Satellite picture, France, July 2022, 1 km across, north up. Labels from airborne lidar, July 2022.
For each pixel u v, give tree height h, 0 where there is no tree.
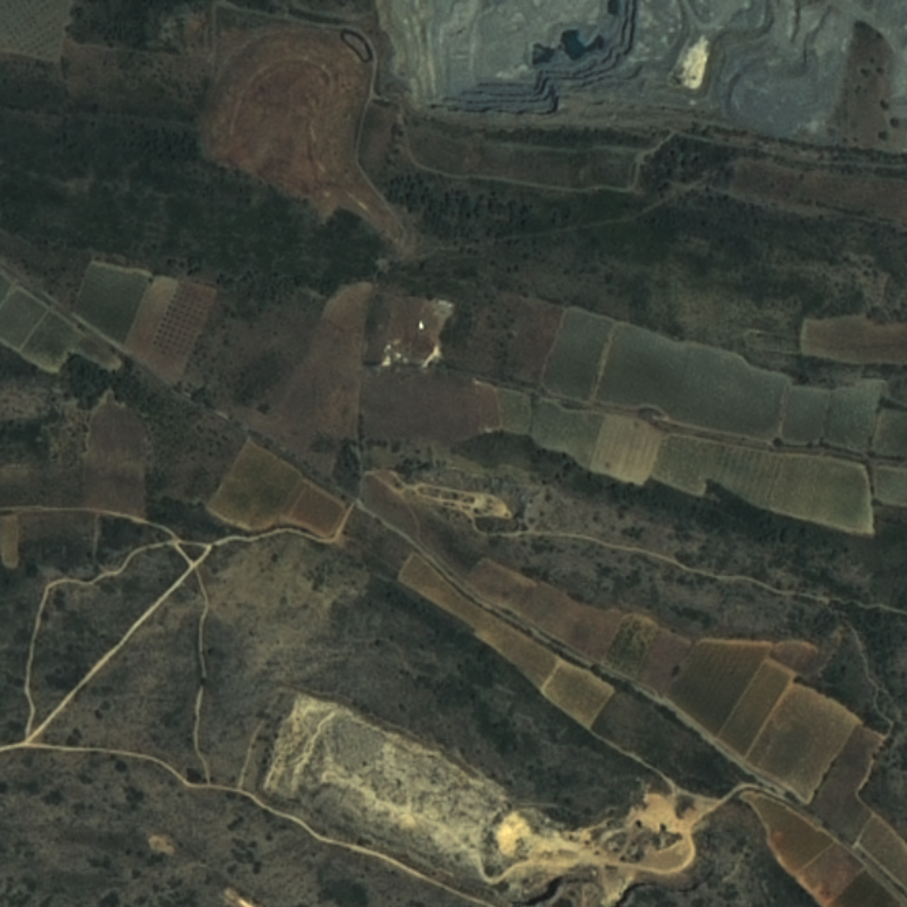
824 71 0
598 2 0
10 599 0
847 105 0
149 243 0
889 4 0
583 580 0
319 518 0
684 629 0
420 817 0
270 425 0
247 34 0
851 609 7
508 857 0
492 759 0
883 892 0
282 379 0
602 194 0
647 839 0
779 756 0
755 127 0
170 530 0
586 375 0
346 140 0
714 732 0
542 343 0
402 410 0
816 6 0
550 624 0
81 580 0
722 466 0
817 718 0
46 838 0
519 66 0
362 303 0
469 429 0
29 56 0
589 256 0
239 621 0
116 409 0
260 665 0
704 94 0
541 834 0
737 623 0
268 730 0
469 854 0
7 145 0
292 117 0
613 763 0
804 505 0
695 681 0
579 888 0
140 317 0
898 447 0
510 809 0
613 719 0
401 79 0
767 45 0
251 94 0
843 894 0
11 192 0
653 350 0
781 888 0
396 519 0
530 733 0
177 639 0
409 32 0
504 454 0
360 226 0
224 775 0
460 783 0
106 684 0
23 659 0
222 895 0
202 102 0
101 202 0
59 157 0
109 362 0
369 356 0
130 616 0
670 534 0
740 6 0
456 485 0
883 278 0
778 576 0
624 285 0
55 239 0
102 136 0
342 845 0
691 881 0
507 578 0
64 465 0
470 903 0
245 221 0
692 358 0
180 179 0
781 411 0
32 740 0
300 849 0
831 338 0
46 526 0
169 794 0
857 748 0
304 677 0
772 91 0
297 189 0
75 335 0
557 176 0
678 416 0
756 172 0
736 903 0
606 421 0
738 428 0
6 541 0
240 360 0
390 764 0
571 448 0
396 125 7
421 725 0
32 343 0
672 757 0
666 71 0
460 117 0
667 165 8
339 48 0
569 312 0
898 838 0
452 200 10
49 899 0
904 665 0
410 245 0
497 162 0
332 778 0
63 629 0
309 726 0
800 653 0
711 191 9
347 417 0
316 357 0
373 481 0
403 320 0
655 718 0
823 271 0
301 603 0
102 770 0
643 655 0
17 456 0
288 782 0
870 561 0
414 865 0
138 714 0
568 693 0
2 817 0
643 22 0
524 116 0
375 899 0
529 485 0
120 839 0
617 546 0
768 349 0
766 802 0
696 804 0
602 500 0
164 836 0
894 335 0
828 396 0
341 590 0
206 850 0
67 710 0
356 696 0
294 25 0
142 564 0
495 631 0
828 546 8
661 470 0
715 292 0
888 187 0
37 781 0
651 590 0
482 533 0
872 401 0
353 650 0
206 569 0
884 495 0
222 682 0
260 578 0
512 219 7
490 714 0
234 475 0
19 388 0
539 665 0
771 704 0
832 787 0
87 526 0
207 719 0
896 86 0
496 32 0
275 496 0
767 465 0
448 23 0
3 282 0
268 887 0
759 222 7
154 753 0
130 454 0
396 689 0
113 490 0
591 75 0
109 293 0
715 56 0
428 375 0
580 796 0
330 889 0
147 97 0
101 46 0
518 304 0
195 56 0
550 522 0
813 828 0
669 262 0
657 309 0
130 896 0
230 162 0
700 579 0
